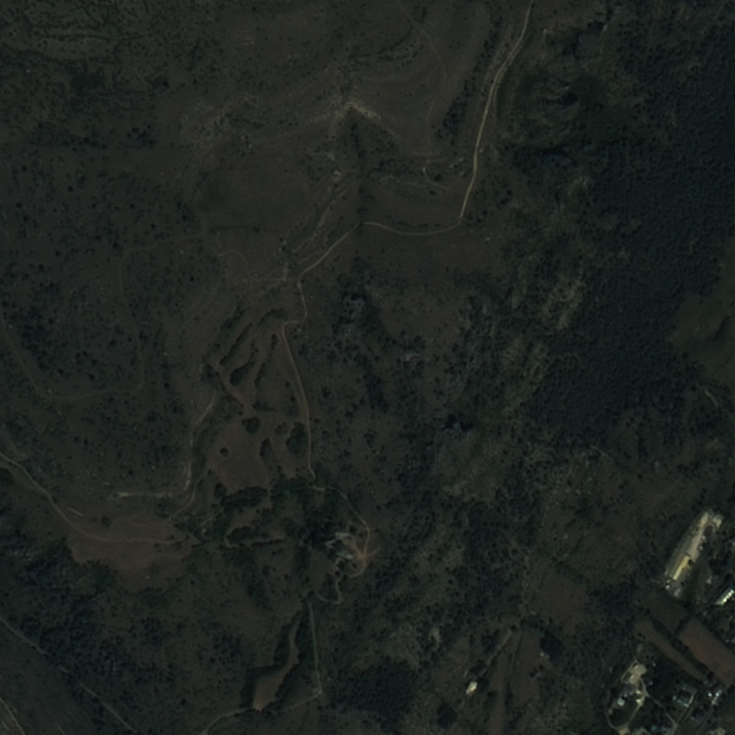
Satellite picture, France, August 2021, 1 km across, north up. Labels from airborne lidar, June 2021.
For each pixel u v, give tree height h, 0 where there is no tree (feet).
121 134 0
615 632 51
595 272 27
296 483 18
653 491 0
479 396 30
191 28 0
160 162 0
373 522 0
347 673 25
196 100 0
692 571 0
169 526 0
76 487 0
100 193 0
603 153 23
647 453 29
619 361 54
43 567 34
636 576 21
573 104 84
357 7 0
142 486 0
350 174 0
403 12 0
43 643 30
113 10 0
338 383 0
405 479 18
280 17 0
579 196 35
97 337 0
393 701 47
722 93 35
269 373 0
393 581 28
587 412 30
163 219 0
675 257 46
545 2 0
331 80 0
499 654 19
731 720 0
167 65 0
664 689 36
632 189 36
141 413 0
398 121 0
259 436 0
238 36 0
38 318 24
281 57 0
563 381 30
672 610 0
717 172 50
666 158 35
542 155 21
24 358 0
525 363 22
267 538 23
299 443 17
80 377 0
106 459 0
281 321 0
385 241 0
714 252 25
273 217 0
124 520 0
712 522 0
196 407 0
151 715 0
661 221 47
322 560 0
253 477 0
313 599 28
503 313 41
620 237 33
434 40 0
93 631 26
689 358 39
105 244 0
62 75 0
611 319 55
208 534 18
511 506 29
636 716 0
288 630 25
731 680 0
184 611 0
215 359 0
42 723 0
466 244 0
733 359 0
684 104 49
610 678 20
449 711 43
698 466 24
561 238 27
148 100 0
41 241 0
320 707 24
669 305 38
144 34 0
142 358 0
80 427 0
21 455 0
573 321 27
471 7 0
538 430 23
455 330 0
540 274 24
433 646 34
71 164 0
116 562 0
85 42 0
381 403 29
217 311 0
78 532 0
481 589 21
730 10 23
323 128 0
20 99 0
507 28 0
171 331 0
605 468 0
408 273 0
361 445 0
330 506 22
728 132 55
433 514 32
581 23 0
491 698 43
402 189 0
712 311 0
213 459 0
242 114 0
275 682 0
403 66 0
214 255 0
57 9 0
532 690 0
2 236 0
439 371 0
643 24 24
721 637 26
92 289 0
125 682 19
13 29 0
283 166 0
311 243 0
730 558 31
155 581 0
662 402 31
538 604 0
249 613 0
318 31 0
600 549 0
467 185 0
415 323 0
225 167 0
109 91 0
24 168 20
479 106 0
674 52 38
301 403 0
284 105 0
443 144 0
